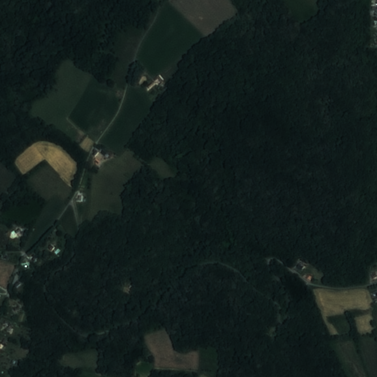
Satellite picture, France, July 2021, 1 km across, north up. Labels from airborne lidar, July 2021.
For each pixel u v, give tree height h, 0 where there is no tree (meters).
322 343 26
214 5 0
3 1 18
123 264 24
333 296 0
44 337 18
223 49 23
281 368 28
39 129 19
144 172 22
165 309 19
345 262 17
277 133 15
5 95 22
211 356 0
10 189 11
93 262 16
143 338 15
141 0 20
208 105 26
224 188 25
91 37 20
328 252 20
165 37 0
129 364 22
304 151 15
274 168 16
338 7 22
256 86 25
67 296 20
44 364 16
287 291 25
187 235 12
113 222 24
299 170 14
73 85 0
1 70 20
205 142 14
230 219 24
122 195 12
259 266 27
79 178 15
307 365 25
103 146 10
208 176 24
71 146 13
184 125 23
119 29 20
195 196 13
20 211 0
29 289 11
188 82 34
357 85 10
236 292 22
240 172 20
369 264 21
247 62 24
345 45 23
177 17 0
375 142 21
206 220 23
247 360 27
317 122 20
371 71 16
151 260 23
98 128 0
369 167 24
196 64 25
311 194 16
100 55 13
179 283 22
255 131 25
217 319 16
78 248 28
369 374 0
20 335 6
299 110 21
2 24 18
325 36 22
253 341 24
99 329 21
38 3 20
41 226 0
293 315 24
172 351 0
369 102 18
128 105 0
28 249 0
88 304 23
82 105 0
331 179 19
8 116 25
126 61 0
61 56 17
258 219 13
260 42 24
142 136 20
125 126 0
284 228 25
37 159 0
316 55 22
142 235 22
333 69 21
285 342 24
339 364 25
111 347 10
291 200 19
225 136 28
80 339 20
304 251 19
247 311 24
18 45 27
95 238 19
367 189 26
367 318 0
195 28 0
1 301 0
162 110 24
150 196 27
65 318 19
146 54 0
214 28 0
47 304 20
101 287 10
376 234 22
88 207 0
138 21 22
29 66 19
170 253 25
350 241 19
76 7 17
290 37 20
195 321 20
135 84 18
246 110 26
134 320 22
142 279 22
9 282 6
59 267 13
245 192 17
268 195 16
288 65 24
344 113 11
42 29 31
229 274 13
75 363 0
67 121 0
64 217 0
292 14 13
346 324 0
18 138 19
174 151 29
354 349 0
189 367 0
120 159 0
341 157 24
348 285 18
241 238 17
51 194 0
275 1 17
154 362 12
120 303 21
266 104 23
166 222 28
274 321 23
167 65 0
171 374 16
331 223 14
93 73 14
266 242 22
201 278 19
